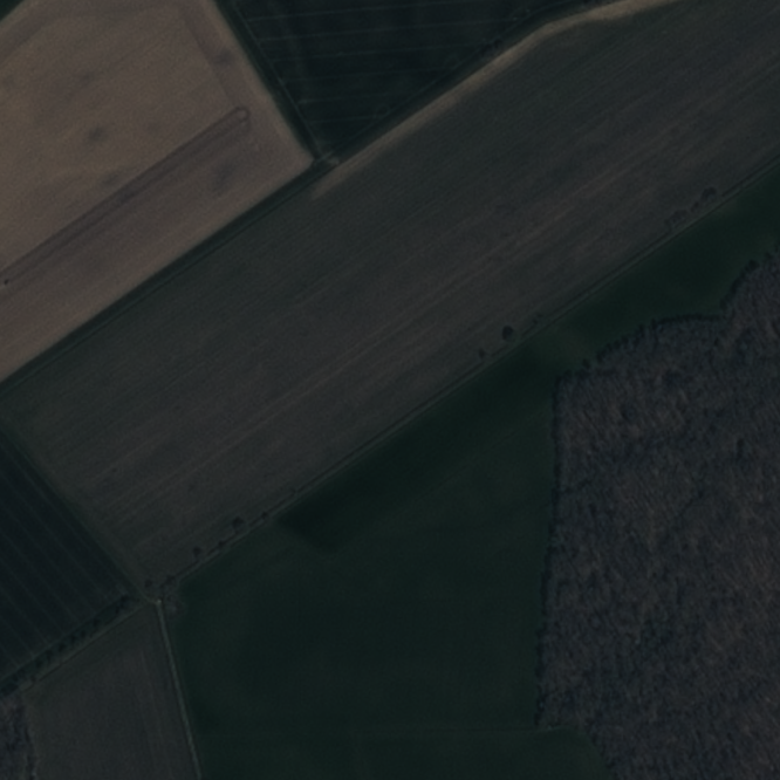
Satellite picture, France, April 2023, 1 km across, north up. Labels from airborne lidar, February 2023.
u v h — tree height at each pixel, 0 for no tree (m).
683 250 0
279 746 0
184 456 0
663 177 0
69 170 0
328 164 0
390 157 0
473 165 0
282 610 0
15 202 0
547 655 20
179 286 0
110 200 0
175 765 0
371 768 0
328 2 0
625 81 0
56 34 0
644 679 24
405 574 0
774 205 0
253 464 0
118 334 0
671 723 23
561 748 0
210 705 0
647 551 22
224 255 0
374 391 0
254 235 0
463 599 0
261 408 0
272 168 0
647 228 0
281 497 0
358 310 0
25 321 0
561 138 0
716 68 0
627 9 0
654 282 0
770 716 31
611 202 0
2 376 0
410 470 0
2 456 0
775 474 21
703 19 0
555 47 0
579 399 27
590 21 0
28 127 0
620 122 0
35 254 0
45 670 11
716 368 26
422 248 0
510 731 0
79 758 0
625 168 0
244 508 0
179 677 0
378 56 0
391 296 0
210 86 0
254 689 0
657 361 28
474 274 0
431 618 0
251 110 0
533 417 0
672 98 0
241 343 0
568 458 26
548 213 0
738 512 18
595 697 23
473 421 0
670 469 33
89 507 0
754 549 25
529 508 0
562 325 0
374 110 0
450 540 0
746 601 19
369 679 0
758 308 24
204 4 0
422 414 0
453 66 0
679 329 19
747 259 0
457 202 0
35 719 0
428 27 0
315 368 0
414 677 0
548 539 0
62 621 0
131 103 0
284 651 0
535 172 0
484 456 0
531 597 0
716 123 0
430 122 0
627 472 30
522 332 0
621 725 23
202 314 0
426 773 0
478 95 0
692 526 19
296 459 0
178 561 0
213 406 0
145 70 0
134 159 0
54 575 0
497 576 0
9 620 0
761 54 0
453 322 0
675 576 25
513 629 0
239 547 0
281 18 0
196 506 0
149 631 0
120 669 0
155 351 0
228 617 0
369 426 0
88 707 0
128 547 0
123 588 0
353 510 0
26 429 0
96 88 0
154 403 0
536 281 0
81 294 0
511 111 0
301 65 0
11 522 0
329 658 0
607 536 24
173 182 0
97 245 0
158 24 0
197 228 0
